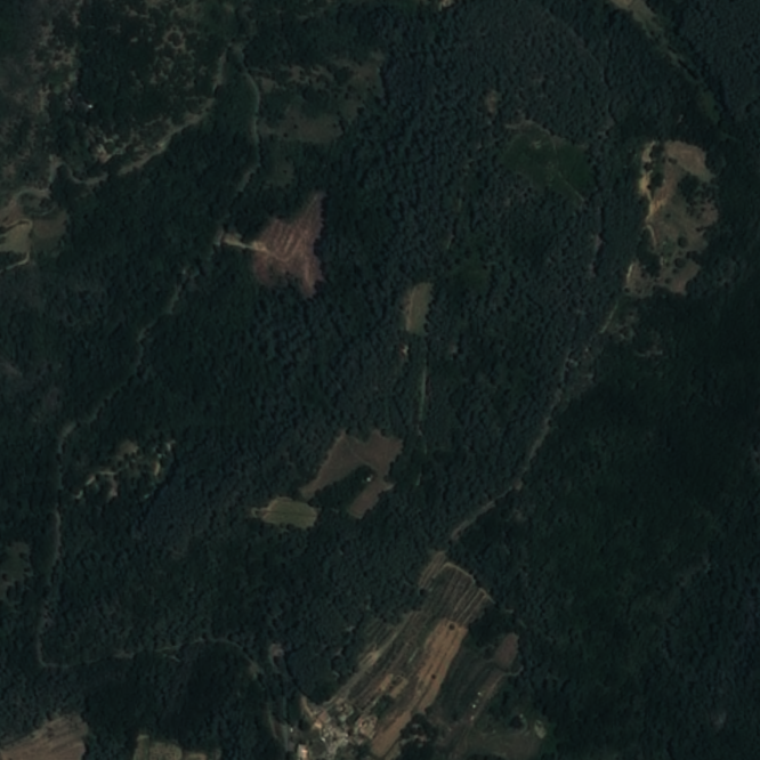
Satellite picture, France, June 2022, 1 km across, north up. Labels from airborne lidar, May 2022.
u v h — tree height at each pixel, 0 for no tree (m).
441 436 13
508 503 13
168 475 8
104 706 23
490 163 22
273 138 10
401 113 11
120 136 6
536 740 0
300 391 8
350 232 10
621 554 14
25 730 10
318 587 12
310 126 0
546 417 21
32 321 10
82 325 6
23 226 0
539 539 14
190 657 21
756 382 15
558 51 21
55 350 12
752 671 12
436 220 20
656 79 23
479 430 22
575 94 19
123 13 8
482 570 22
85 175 8
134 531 18
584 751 10
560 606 18
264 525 17
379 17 16
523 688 23
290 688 17
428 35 20
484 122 12
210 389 13
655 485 22
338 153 7
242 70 14
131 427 13
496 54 16
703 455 22
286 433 15
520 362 13
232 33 6
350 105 0
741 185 12
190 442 10
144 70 9
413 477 8
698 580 18
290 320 11
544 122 20
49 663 10
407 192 22
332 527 9
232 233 19
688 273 0
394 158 21
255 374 9
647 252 15
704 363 16
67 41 8
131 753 10
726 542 15
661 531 15
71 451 6
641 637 23
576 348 18
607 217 26
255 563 13
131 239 12
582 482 15
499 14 17
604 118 19
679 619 26
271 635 14
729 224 13
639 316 6
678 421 15
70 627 11
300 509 0
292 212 14
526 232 9
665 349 11
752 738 14
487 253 22
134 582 10
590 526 13
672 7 15
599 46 20
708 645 11
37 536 8
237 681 7
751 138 11
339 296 11
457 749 0
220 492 22
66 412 9
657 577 16
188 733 13
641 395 15
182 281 18
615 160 23
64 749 0
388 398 7
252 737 21
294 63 10
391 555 22
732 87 26
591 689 31
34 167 9
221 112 8
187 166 8
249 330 8
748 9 30
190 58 6
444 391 13
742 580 8
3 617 14
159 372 11
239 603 13
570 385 18
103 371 16
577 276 23
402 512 23
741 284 13
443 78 16
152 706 21
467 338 20
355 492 12
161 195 7
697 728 10
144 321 12
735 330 23
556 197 16
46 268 8
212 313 14
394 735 0
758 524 18
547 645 12
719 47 30
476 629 13
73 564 10
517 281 23
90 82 11
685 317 13
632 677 11
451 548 17
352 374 18
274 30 9
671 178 0
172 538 27
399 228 23
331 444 16
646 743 21
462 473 23
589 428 18
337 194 12
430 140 27
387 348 15
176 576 9
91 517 14
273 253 0
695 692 14
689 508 15
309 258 0
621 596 7
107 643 14
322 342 17
